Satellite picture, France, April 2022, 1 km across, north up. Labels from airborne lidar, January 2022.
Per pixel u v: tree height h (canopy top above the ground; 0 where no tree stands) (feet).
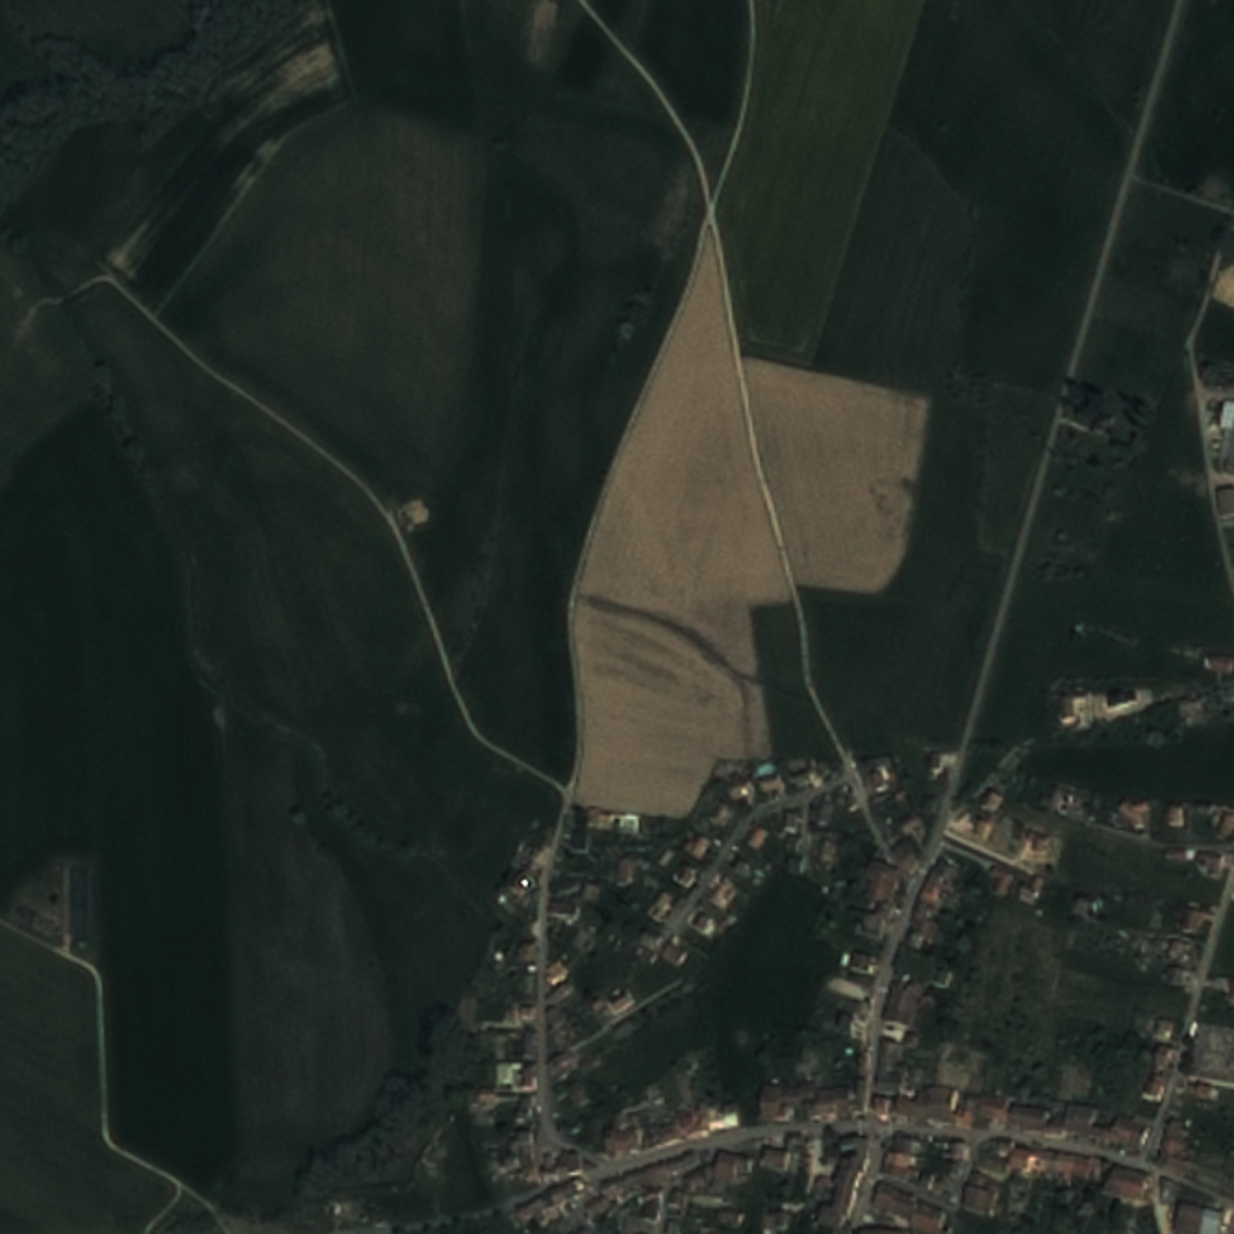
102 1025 0
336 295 0
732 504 0
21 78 0
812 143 0
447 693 0
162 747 0
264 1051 0
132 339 0
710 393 0
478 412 0
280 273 0
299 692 0
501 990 0
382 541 0
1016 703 0
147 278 0
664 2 0
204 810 0
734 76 0
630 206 0
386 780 0
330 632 0
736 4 0
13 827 0
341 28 0
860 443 0
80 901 0
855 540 0
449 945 0
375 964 0
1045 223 0
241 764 0
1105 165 0
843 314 0
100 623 0
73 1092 0
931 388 0
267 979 0
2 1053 0
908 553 0
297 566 0
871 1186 0
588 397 0
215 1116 0
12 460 0
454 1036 106
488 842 0
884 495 0
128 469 0
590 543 0
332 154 0
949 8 0
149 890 0
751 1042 0
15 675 0
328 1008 0
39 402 0
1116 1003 0
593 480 0
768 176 0
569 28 0
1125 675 0
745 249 0
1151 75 0
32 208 0
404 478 0
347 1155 57
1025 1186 0
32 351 0
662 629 0
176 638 0
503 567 0
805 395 0
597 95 0
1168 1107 0
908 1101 0
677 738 0
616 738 0
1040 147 0
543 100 0
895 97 0
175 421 0
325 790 0
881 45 0
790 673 0
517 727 0
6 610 0
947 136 0
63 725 0
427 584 0
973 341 0
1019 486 0
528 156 0
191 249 0
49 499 0
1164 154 0
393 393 0
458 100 0
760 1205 0
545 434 0
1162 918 0
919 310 0
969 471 0
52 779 0
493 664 0
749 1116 0
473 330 0
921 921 0
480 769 0
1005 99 0
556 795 0
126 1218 0
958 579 0
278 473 0
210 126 0
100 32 0
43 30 0
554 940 18
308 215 0
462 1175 0
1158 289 0
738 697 0
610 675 0
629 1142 0
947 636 0
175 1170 0
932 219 0
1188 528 0
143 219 0
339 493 0
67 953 0
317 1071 0
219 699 0
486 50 0
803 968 0
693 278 0
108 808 0
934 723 0
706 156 0
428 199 0
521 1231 0
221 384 0
